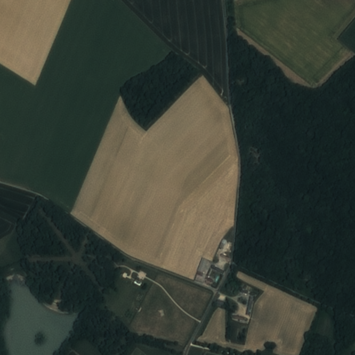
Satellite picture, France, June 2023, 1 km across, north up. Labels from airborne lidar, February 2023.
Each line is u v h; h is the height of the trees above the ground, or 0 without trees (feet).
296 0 0
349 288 47
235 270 65
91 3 0
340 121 92
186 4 0
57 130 0
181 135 0
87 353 0
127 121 0
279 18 0
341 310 52
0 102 0
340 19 0
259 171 71
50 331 0
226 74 0
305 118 66
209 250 0
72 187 0
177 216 0
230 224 0
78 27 0
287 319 0
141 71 0
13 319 0
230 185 0
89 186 0
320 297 68
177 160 0
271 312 0
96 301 75
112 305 0
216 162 0
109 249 63
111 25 0
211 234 0
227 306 42
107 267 83
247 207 44
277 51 0
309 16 0
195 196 0
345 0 0
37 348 0
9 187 0
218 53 0
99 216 0
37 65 0
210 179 0
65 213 43
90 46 0
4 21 0
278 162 80
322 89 48
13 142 0
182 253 0
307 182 78
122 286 0
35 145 0
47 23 0
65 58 0
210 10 0
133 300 0
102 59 0
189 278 0
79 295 83
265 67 56
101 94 0
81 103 0
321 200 56
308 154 61
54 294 46
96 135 0
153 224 0
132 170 0
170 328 0
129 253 0
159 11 0
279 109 83
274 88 80
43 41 0
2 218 0
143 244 0
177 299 0
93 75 0
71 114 0
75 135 0
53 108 0
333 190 59
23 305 0
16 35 0
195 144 0
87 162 0
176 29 0
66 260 0
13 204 0
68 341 45
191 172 0
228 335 39
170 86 61
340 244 80
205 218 0
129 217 0
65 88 0
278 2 0
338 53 0
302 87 42
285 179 79
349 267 51
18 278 0
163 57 0
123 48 0
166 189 0
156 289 0
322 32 0
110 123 0
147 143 0
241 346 0
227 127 0
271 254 51
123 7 0
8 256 0
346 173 91
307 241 94
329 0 0
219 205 0
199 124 0
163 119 0
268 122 82
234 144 0
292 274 71
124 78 0
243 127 67
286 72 0
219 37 0
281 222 93
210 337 0
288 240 64
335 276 68
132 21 0
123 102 0
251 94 64
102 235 0
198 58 0
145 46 0
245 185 49
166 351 29
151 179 0
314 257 77
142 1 0
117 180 0
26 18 0
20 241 60
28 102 0
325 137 84
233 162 0
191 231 0
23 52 0
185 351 0
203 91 0
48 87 0
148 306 0
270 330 0
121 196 0
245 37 0
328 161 76
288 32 0
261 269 41
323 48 0
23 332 0
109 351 66
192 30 0
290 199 87
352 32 0
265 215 93
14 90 0
